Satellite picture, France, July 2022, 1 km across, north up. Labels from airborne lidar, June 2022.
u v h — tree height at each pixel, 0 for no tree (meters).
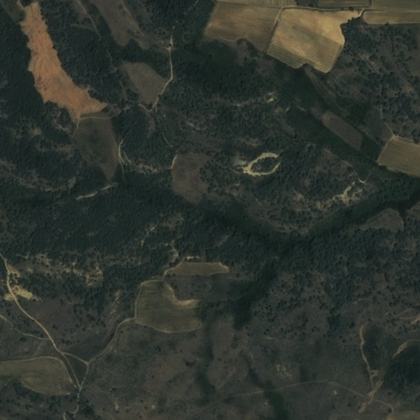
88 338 0
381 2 0
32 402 8
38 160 13
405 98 13
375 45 10
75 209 11
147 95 0
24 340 9
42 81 0
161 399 0
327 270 10
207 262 6
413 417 0
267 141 11
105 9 0
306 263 11
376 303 7
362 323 0
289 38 0
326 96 0
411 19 0
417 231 11
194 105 12
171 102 11
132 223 11
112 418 0
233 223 13
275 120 9
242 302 9
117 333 0
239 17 0
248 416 0
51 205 11
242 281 7
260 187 10
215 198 0
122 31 0
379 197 12
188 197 0
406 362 9
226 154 8
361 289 9
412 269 6
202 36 6
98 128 0
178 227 8
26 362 0
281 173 11
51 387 0
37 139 9
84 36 13
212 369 0
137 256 8
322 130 5
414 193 9
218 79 7
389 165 0
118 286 10
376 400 0
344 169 0
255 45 0
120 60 10
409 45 10
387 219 0
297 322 0
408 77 8
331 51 0
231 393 0
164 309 0
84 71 11
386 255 8
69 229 9
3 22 11
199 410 0
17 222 10
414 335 0
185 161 0
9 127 11
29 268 0
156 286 0
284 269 13
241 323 8
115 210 12
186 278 0
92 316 8
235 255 13
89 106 0
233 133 8
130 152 8
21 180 7
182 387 0
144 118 9
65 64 7
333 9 0
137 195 10
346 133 0
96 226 8
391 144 0
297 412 0
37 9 0
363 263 9
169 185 8
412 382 11
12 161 8
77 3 0
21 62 10
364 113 6
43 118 11
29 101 13
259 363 0
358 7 0
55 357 0
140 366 0
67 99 0
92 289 12
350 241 10
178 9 19
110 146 0
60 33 8
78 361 0
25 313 0
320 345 0
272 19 0
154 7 13
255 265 11
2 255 7
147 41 0
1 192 14
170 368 0
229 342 0
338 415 0
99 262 9
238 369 0
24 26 0
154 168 8
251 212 0
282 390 0
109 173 0
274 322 12
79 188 14
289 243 7
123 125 9
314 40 0
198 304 0
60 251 10
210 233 14
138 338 0
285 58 0
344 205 7
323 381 0
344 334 7
